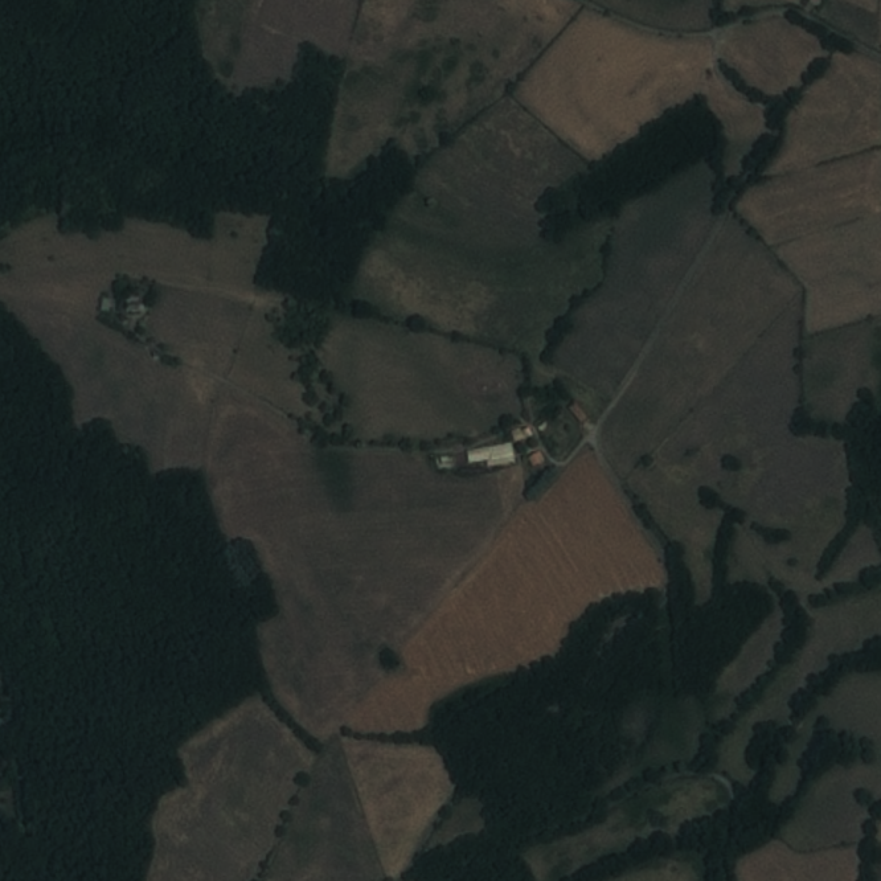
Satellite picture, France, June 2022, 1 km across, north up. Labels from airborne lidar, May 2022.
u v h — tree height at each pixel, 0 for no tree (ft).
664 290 0
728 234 0
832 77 0
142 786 66
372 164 54
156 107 54
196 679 61
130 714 51
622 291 0
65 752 60
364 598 0
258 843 0
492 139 0
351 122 0
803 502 0
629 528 0
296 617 0
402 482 0
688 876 0
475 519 0
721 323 0
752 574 0
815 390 0
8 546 47
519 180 0
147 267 0
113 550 36
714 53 0
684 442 0
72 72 68
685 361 0
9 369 74
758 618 48
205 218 60
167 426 0
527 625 0
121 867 42
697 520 0
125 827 23
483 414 0
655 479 0
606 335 0
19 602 57
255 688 35
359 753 0
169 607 62
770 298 0
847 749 44
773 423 0
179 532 36
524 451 39
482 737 66
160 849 0
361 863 0
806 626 56
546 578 0
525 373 30
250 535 0
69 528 49
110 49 59
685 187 0
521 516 0
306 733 20
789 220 0
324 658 0
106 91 71
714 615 46
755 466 0
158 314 0
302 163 46
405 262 0
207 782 0
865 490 40
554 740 48
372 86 0
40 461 52
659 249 0
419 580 0
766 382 0
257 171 45
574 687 56
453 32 0
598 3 0
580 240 0
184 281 0
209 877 0
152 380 0
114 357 0
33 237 0
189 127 60
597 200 33
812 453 0
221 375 0
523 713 63
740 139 0
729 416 0
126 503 47
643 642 60
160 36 75
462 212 0
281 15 0
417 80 0
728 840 49
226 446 0
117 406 0
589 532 0
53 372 54
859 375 0
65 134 73
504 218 0
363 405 0
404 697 0
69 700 46
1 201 58
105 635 62
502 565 0
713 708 0
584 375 0
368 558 0
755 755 44
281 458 0
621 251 0
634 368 0
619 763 22
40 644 60
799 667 0
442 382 0
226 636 73
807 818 0
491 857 65
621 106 0
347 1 0
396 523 0
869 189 0
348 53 0
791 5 21
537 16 0
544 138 0
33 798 53
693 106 31
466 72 0
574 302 44
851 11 0
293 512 0
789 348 0
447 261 0
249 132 68
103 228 32
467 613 0
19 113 68
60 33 39
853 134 0
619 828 0
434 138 0
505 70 0
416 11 0
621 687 44
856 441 61
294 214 59
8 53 53
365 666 0
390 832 0
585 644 33
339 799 0
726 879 47
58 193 19
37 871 64
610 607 47
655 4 0
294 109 31
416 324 64
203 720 46
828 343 0
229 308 0
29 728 70
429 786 0
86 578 51
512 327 0
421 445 31
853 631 0
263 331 0
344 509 0
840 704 0
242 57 0
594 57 0
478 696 40
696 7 0
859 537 0
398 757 0
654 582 0
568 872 0
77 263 0
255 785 0
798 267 0
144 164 47
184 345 0
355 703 0
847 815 0
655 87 0
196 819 0
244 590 62
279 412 0
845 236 0
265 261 44
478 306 0
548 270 0
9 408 55
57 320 0
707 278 0
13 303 0
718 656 35
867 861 69
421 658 0
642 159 33
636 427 0
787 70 0
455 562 0
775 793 0
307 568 0
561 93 0
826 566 33
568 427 22
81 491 55
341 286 42
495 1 0
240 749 0
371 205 68
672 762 0
